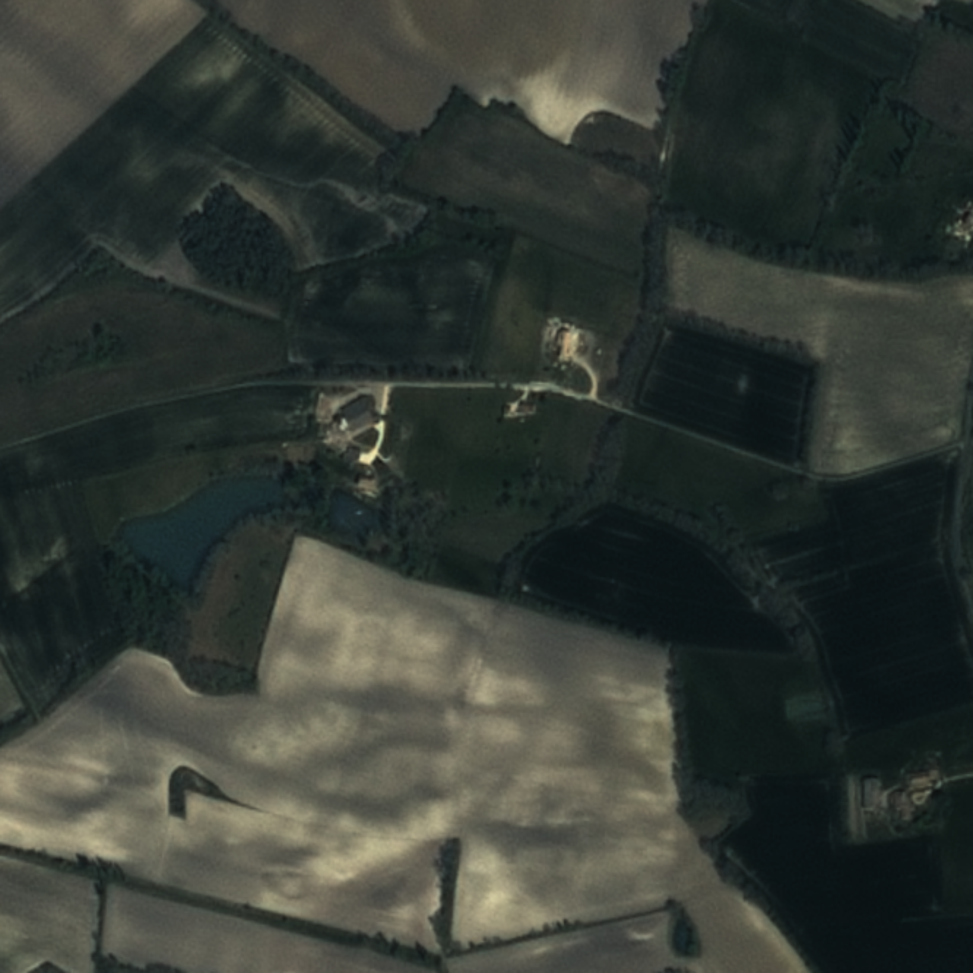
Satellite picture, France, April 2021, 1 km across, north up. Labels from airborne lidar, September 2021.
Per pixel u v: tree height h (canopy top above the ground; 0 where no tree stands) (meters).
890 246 0
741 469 0
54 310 0
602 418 0
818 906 0
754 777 0
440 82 0
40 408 0
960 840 0
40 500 0
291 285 18
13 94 0
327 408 0
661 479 0
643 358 19
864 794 0
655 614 0
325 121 0
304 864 0
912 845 0
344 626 0
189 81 0
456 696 0
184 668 15
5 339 0
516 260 0
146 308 0
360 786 0
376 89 0
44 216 0
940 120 0
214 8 14
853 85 0
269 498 0
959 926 0
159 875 0
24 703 0
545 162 0
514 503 12
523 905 0
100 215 0
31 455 0
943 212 0
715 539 15
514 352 0
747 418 0
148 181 0
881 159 0
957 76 0
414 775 0
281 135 0
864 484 0
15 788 0
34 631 0
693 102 0
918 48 6
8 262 0
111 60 0
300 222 0
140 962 0
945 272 18
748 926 0
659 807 0
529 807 0
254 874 0
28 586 0
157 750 0
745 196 0
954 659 0
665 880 0
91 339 6
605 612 0
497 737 0
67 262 0
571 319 0
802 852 0
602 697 0
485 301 0
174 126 0
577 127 0
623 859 0
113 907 0
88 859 0
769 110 0
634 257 0
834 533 0
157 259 0
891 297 0
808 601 0
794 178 0
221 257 21
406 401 0
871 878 0
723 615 0
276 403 0
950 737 0
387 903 0
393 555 14
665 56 0
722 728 0
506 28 0
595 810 0
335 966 0
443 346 0
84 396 0
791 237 0
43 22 0
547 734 0
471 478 0
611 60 0
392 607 0
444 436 0
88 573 0
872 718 0
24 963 0
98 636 0
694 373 0
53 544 0
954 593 0
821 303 0
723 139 0
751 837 0
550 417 0
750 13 0
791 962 0
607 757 0
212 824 0
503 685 0
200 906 0
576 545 0
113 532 0
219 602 0
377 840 0
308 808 0
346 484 0
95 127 0
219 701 0
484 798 0
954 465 0
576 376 0
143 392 0
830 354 0
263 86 0
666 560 0
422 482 0
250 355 0
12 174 0
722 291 0
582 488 10
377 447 0
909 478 0
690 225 20
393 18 0
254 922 0
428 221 7
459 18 0
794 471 0
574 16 0
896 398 0
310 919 0
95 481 0
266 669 0
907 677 0
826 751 9
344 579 0
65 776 0
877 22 0
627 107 0
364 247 0
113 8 0
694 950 9
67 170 0
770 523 0
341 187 0
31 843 0
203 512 0
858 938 0
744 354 0
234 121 0
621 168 19
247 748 0
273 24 0
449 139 0
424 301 0
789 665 0
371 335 0
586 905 0
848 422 0
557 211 0
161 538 0
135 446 0
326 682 0
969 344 0
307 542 0
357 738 0
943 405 0
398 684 0
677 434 0
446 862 16
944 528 0
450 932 11
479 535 0
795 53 0
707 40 0
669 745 0
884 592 0
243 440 0
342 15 0
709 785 16
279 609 0
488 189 0
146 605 10
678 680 15
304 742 0
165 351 0
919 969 0
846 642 0
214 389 0
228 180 0
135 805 0
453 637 0
